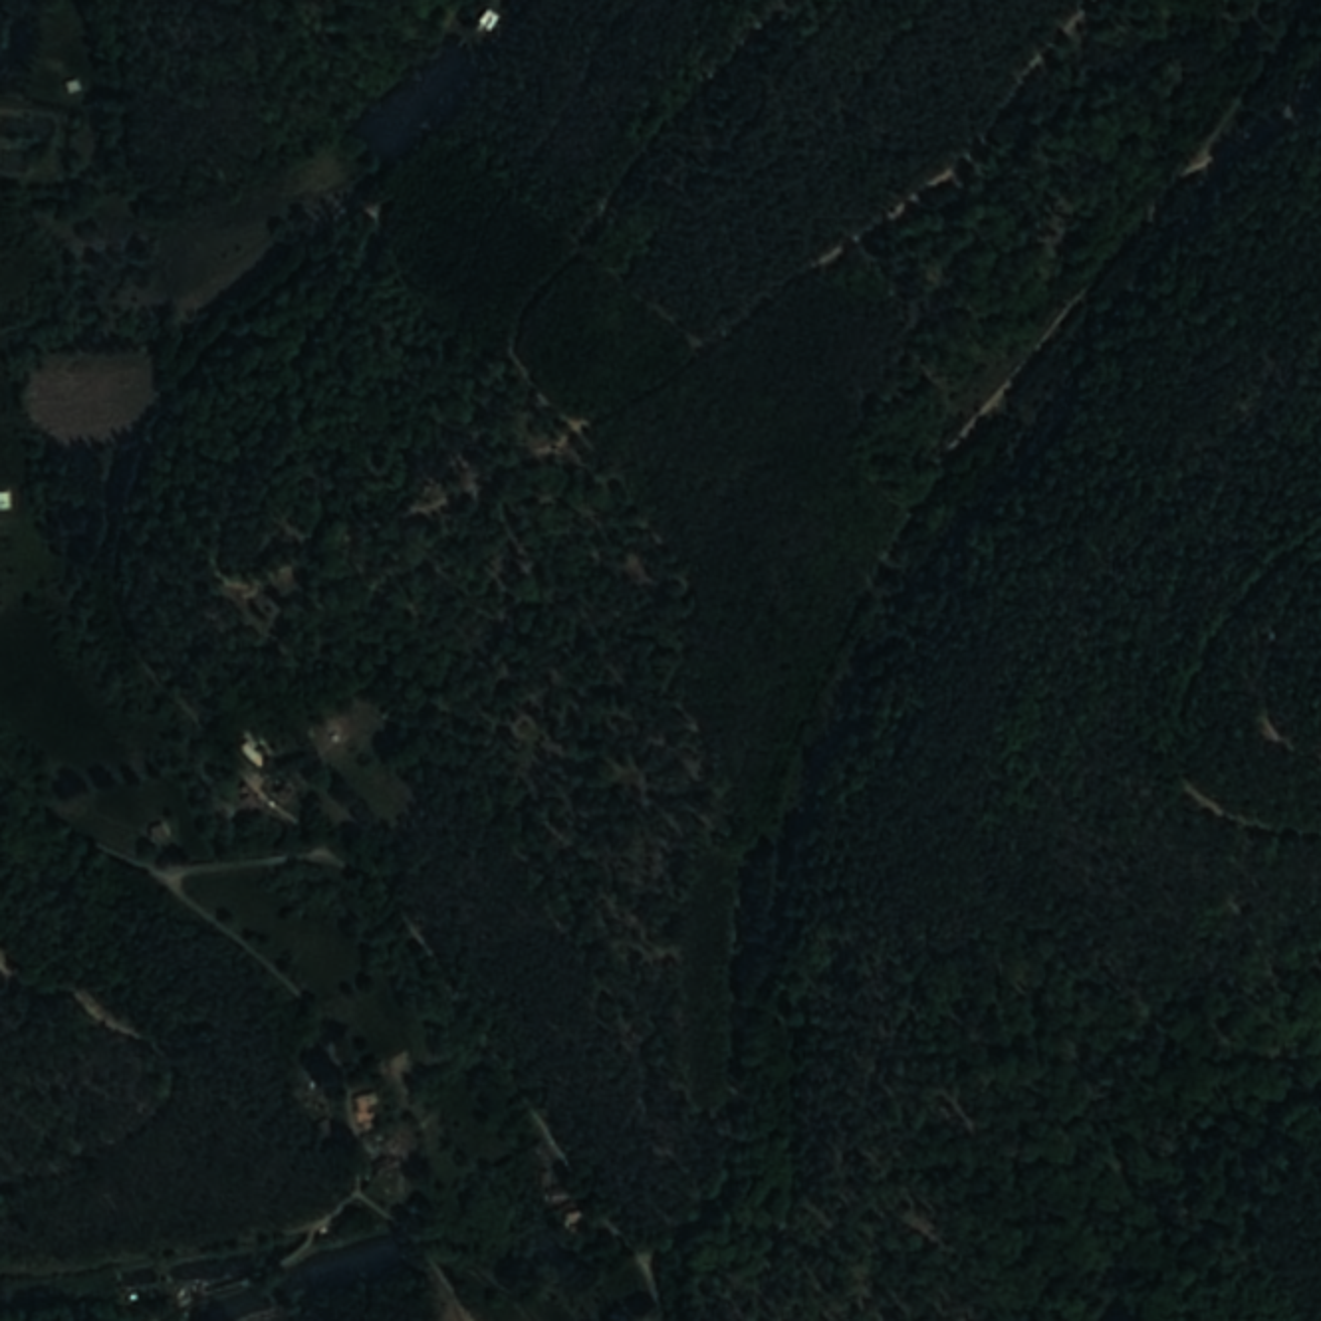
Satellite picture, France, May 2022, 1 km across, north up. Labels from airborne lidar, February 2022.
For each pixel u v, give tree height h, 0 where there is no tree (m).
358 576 30
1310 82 6
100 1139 18
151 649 28
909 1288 24
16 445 0
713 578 11
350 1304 29
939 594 29
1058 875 23
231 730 16
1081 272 15
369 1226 10
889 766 26
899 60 21
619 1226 24
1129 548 28
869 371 9
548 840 29
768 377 16
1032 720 26
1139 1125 8
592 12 20
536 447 0
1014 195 27
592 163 20
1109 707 25
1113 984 31
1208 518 25
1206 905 22
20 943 30
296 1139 28
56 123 0
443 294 15
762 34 7
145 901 17
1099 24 24
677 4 20
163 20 31
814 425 13
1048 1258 24
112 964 21
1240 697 21
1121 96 25
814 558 12
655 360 11
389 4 33
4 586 0
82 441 0
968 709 26
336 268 26
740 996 21
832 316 13
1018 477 14
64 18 0
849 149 14
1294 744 18
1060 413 14
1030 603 24
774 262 16
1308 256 26
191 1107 20
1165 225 8
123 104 22
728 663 12
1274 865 26
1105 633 26
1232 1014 35
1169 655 26
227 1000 21
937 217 20
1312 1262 27
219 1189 21
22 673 0
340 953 0
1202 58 12
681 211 20
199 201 30
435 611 29
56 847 31
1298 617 25
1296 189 27
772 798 17
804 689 15
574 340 12
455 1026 22
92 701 0
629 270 17
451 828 19
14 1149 25
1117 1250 37
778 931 25
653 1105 25
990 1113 32
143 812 0
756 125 20
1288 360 26
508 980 25
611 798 28
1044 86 9
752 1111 29
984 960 29
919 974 28
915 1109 31
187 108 23
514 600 0
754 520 12
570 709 29
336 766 0
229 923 13
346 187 0
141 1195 21
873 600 26
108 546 21
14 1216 19
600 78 21
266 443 29
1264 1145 36
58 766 0
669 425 12
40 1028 26
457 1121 0
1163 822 24
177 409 26
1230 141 0
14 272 0
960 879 26
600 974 24
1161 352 27
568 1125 24
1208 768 19
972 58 17
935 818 25
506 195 14
